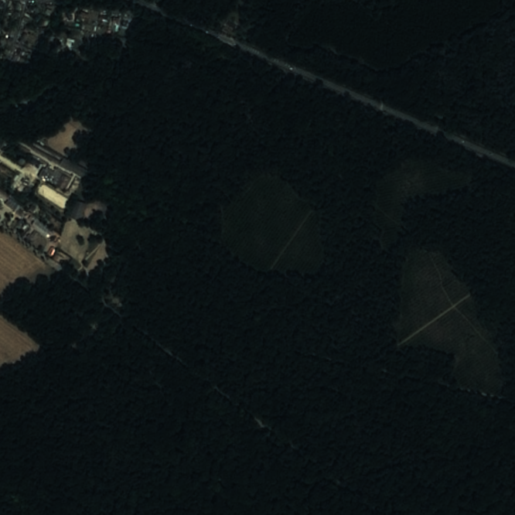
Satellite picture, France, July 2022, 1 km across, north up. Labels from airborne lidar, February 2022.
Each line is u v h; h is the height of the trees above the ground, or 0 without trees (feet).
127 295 56
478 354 0
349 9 33
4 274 0
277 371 54
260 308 52
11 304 58
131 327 61
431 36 30
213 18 20
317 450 63
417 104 83
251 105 52
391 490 71
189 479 73
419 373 37
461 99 74
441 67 75
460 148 58
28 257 0
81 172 0
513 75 59
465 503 70
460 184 0
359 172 65
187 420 60
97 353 68
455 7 26
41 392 60
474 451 72
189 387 59
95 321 67
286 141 51
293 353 60
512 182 60
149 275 66
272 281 71
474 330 0
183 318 52
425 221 56
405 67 72
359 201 53
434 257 0
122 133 58
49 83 61
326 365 46
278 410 64
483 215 59
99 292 63
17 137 61
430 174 0
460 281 29
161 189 64
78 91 52
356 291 36
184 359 58
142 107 77
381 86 30
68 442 62
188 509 77
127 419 55
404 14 33
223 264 46
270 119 53
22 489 56
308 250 0
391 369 51
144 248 59
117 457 41
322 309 58
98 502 74
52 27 55
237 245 0
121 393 70
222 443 73
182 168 70
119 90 75
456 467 78
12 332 0
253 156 57
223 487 73
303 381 34
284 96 66
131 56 62
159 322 50
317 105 55
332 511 82
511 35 74
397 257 63
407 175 0
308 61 47
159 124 49
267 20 65
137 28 65
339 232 62
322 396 73
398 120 26
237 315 55
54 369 69
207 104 64
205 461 70
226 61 27
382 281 43
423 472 83
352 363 51
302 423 56
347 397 73
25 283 62
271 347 70
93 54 58
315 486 63
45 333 64
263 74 60
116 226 65
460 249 51
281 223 0
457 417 55
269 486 82
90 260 0
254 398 76
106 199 57
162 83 83
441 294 0
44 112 66
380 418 51
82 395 43
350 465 53
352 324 56
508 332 49
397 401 34
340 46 33
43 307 62
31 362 52
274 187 0
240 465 77
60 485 62
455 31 24
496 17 66
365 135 73
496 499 73
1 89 49
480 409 70
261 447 75
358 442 37
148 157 79
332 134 80
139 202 62
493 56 72
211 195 65
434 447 66
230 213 0
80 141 61
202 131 69
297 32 34
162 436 81
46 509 70
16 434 49
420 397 60
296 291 75
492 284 54
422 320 0
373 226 52
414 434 70
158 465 67
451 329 0
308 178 50
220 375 57
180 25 41
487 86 65
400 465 69
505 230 57
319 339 51
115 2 61
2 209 0
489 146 27
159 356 71
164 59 62
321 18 27
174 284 53
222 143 68
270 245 0
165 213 58
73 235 0
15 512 63
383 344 37
